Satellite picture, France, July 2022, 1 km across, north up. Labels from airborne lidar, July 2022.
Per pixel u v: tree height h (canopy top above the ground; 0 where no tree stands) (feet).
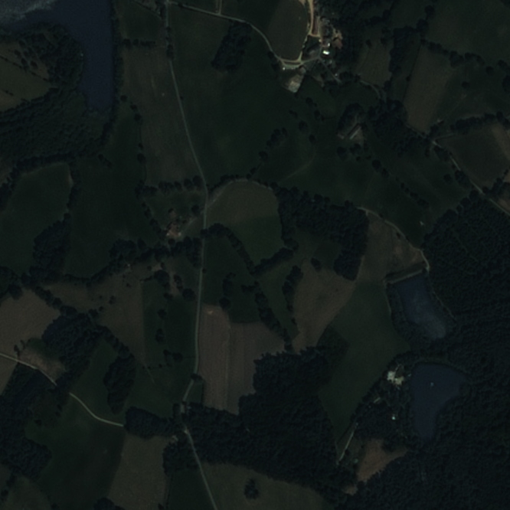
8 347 0
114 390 45
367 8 47
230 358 0
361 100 0
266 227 0
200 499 0
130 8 0
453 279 29
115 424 0
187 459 35
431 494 62
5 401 63
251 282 0
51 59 63
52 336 99
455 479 84
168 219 0
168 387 0
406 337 59
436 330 0
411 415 36
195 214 50
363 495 73
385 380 48
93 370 0
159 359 0
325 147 0
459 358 93
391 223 0
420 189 0
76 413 0
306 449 80
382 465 0
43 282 58
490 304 32
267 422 82
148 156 0
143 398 0
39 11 0
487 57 0
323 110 0
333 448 55
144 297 0
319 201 73
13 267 0
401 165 0
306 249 0
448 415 82
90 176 0
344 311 0
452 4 0
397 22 0
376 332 0
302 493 0
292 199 81
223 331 0
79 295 0
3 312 0
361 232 82
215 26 0
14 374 22
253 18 0
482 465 48
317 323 0
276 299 0
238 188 0
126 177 0
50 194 0
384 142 52
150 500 0
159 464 0
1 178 0
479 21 0
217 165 0
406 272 0
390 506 82
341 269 72
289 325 0
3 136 26
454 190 0
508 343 73
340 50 23
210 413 46
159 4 63
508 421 25
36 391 85
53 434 0
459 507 25
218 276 0
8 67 0
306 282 0
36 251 51
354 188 0
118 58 75
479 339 89
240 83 0
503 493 50
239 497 0
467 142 0
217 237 42
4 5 0
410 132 45
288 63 0
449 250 22
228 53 65
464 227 30
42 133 34
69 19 0
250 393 0
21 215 0
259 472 48
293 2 0
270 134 0
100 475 0
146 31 0
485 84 0
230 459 58
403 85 0
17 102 0
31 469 92
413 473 53
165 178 0
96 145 21
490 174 0
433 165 0
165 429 100
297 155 0
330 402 0
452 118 0
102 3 0
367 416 64
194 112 0
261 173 0
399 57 81
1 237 0
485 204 35
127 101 50
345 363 0
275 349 0
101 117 0
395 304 42
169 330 0
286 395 89
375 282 0
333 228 64
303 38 0
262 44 0
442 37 0
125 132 0
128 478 0
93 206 0
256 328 0
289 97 0
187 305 0
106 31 0
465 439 66
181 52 0
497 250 30
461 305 29
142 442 0
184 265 0
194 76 0
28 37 68
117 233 0
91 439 0
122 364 73
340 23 51
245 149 0
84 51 0
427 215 0
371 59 0
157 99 0
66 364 57
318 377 108
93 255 0
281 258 61
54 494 0
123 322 0
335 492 63
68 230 60
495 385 78
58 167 0
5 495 56
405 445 28
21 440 80
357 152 38
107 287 0
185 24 0
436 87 0
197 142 0
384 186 0
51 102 30
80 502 0
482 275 81
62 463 0
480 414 26
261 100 0
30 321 0
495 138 0
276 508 0
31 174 0
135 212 0
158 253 75
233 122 0
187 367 0
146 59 0
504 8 0
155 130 0
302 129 50
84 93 0
